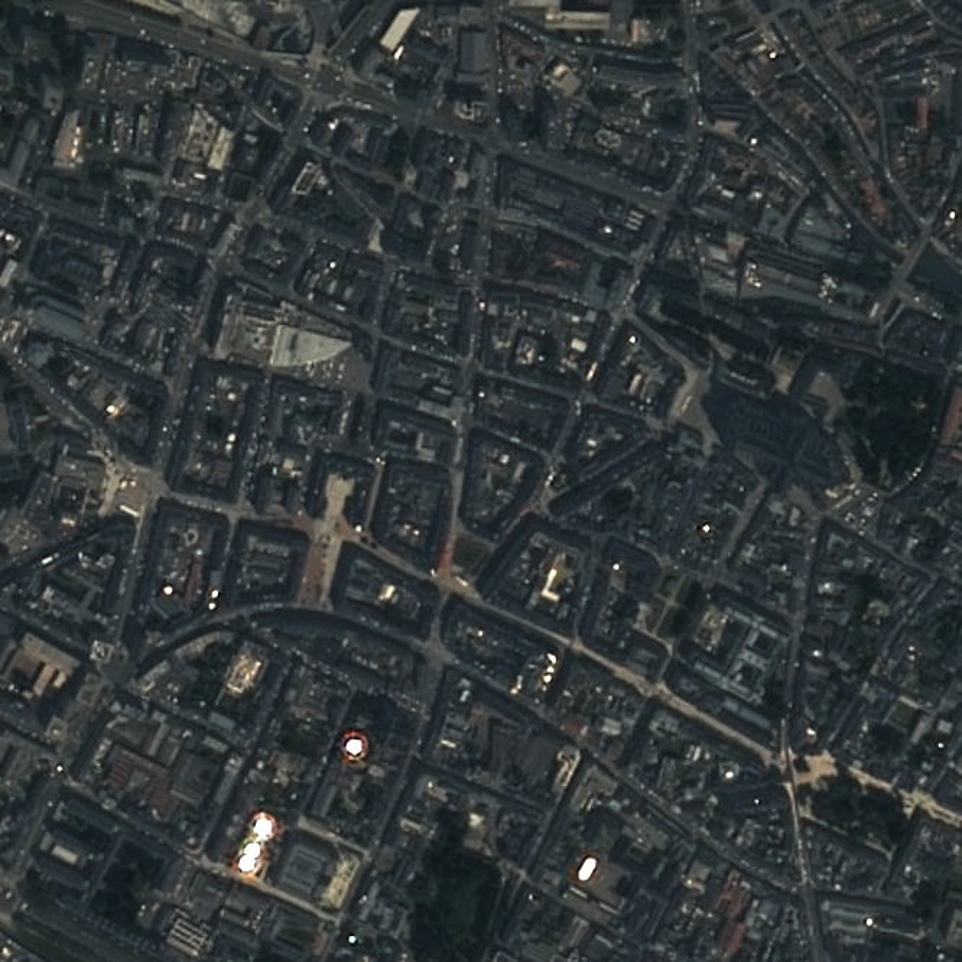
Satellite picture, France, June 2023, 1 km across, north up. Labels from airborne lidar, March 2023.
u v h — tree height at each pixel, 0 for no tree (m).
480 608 0
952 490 10
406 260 0
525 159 0
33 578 0
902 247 0
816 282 0
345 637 0
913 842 0
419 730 0
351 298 0
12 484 18
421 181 0
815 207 0
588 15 0
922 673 6
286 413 0
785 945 11
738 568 0
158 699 0
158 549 0
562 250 0
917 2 0
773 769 8
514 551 0
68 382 0
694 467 0
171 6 0
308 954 0
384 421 0
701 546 0
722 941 0
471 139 0
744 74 0
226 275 0
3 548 9
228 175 0
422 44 0
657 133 0
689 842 0
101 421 0
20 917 15
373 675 0
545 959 0
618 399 0
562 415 0
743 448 0
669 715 0
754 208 13
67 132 0
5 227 0
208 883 0
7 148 0
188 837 0
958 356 0
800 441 0
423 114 0
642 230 0
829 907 0
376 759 0
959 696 0
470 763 0
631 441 0
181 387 0
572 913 7
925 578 0
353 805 0
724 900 0
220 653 7
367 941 8
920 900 18
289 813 0
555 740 0
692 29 0
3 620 0
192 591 0
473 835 0
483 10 0
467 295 0
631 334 0
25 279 0
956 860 0
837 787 15
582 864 0
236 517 0
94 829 18
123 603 0
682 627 12
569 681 0
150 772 0
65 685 0
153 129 0
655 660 0
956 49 0
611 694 0
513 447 0
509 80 0
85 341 0
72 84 12
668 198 0
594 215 0
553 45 0
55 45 12
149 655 0
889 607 0
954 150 0
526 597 0
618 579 0
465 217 0
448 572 0
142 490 0
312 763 0
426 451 0
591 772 0
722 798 12
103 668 0
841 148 10
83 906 0
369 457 0
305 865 0
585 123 0
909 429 24
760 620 0
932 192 0
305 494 0
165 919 0
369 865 0
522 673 0
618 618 11
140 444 0
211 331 0
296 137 0
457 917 33
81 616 0
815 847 0
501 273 0
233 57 0
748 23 0
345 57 0
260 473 0
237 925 0
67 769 0
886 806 24
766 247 11
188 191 0
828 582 0
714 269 0
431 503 0
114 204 0
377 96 0
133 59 0
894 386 27
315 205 0
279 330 0
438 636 0
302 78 0
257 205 0
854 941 0
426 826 0
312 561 0
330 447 0
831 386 0
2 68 0
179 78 0
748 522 0
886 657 0
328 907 0
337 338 0
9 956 0
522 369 0
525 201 0
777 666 0
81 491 0
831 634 0
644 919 0
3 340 0
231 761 0
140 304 0
